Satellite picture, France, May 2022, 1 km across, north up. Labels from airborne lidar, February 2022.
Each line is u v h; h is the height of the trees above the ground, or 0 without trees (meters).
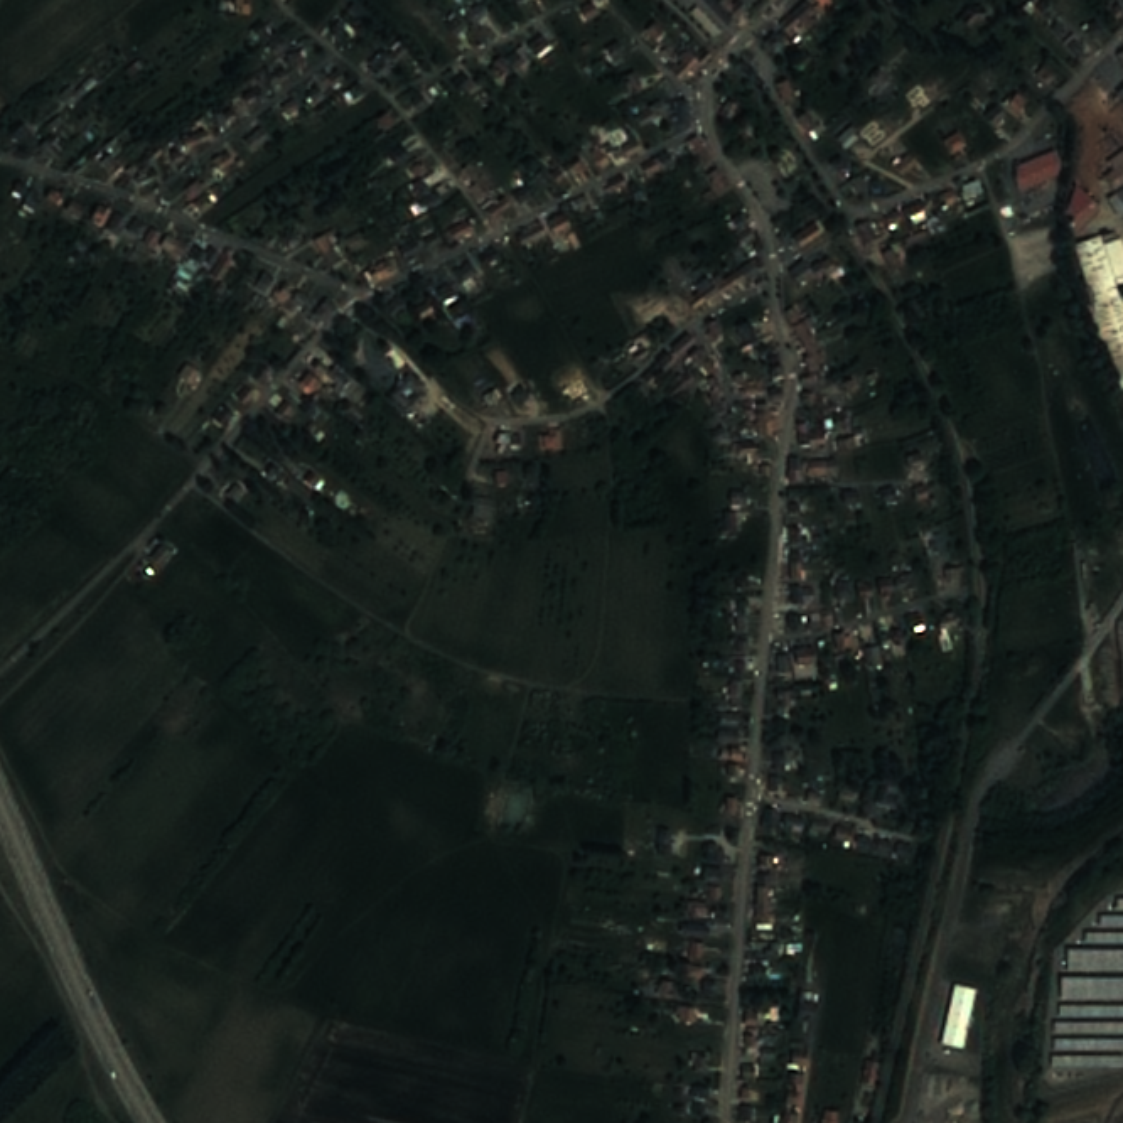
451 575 6
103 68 0
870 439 0
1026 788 0
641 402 8
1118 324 0
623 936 0
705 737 6
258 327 0
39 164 0
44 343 0
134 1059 0
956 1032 0
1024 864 0
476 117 0
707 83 0
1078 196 0
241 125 0
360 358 0
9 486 8
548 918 0
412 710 0
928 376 0
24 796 0
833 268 0
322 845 0
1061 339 0
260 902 0
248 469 7
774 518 0
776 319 0
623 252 0
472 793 0
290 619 0
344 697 0
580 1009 0
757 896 0
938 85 0
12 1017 0
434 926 0
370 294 0
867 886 0
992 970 0
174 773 0
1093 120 0
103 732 0
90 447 6
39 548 0
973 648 7
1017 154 0
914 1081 0
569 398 0
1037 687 0
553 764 0
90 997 0
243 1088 0
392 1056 0
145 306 6
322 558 0
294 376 0
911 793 21
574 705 0
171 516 0
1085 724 0
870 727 0
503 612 0
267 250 0
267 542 0
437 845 0
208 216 0
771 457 0
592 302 0
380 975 0
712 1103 0
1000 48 20
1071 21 0
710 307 0
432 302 10
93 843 0
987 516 12
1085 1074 0
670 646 0
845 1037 0
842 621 0
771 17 0
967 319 9
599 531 0
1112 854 11
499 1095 0
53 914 0
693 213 0
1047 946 0
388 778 0
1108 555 0
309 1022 0
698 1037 0
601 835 0
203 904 0
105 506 0
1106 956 0
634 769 0
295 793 0
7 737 0
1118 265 0
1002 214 0
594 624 0
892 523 0
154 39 0
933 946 0
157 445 0
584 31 0
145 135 7
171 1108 0
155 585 0
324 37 0
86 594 0
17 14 0
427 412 0
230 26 0
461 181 0
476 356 0
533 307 0
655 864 0
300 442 13
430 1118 0
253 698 7
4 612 0
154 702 0
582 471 0
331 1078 0
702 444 0
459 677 0
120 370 5
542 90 0
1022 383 0
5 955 0
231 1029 0
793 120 0
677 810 0
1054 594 0
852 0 9
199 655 0
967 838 0
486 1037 0
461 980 0
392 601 0
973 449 0
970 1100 0
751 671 0
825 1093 0
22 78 0
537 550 0
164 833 0
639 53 0
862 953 0
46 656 0
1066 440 0
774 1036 0
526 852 0
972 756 7
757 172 0
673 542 7
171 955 0
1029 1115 7
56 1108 0
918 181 0
